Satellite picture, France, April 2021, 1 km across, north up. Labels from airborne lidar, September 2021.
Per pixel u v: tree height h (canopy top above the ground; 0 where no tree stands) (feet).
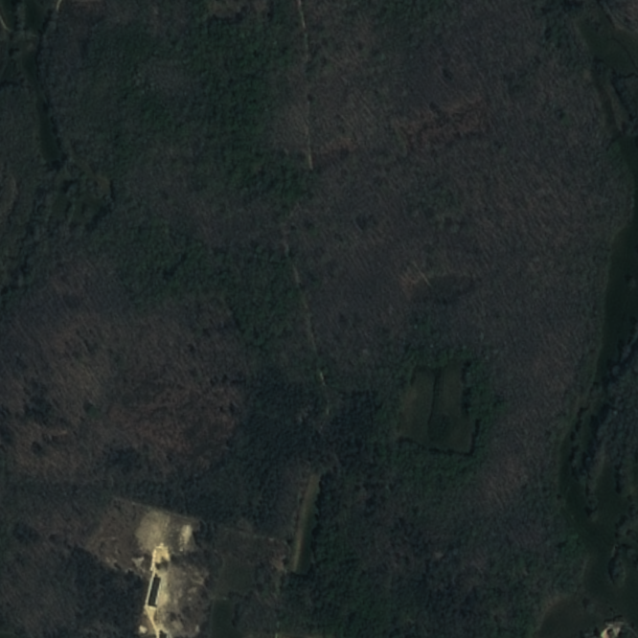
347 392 57
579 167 73
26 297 51
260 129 78
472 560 70
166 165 66
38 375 59
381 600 73
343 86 52
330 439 60
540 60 58
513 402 73
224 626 0
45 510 63
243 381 46
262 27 68
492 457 63
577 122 68
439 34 62
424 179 54
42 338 52
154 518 0
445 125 66
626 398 77
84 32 23
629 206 57
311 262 65
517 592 77
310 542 0
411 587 60
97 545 0
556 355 55
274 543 17
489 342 58
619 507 0
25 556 68
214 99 72
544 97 64
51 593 61
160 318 71
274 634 46
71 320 48
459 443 0
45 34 42
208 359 52
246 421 68
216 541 31
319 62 73
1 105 62
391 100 56
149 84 55
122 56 74
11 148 60
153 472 43
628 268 0
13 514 84
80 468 37
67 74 56
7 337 50
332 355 61
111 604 58
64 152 45
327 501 66
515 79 58
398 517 33
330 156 26
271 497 34
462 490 56
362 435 72
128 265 68
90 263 59
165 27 58
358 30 49
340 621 73
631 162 0
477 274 68
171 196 60
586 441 0
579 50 125
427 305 59
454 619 48
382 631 48
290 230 38
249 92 64
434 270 80
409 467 76
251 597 34
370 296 48
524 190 67
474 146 68
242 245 58
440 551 25
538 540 68
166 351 64
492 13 62
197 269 81
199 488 39
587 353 70
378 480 83
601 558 0
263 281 78
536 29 63
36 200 35
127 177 73
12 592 56
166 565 46
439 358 64
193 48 58
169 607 0
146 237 84
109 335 44
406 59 56
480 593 66
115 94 50
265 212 56
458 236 47
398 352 72
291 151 53
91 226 0
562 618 0
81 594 75
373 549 39
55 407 58
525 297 72
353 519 20
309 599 49
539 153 78
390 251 48
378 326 56
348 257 60
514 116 55
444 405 0
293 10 36
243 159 63
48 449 55
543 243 70
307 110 50
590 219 70
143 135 59
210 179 68
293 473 49
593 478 62
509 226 69
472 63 52
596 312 67
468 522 60
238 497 52
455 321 65
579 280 93
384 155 53
